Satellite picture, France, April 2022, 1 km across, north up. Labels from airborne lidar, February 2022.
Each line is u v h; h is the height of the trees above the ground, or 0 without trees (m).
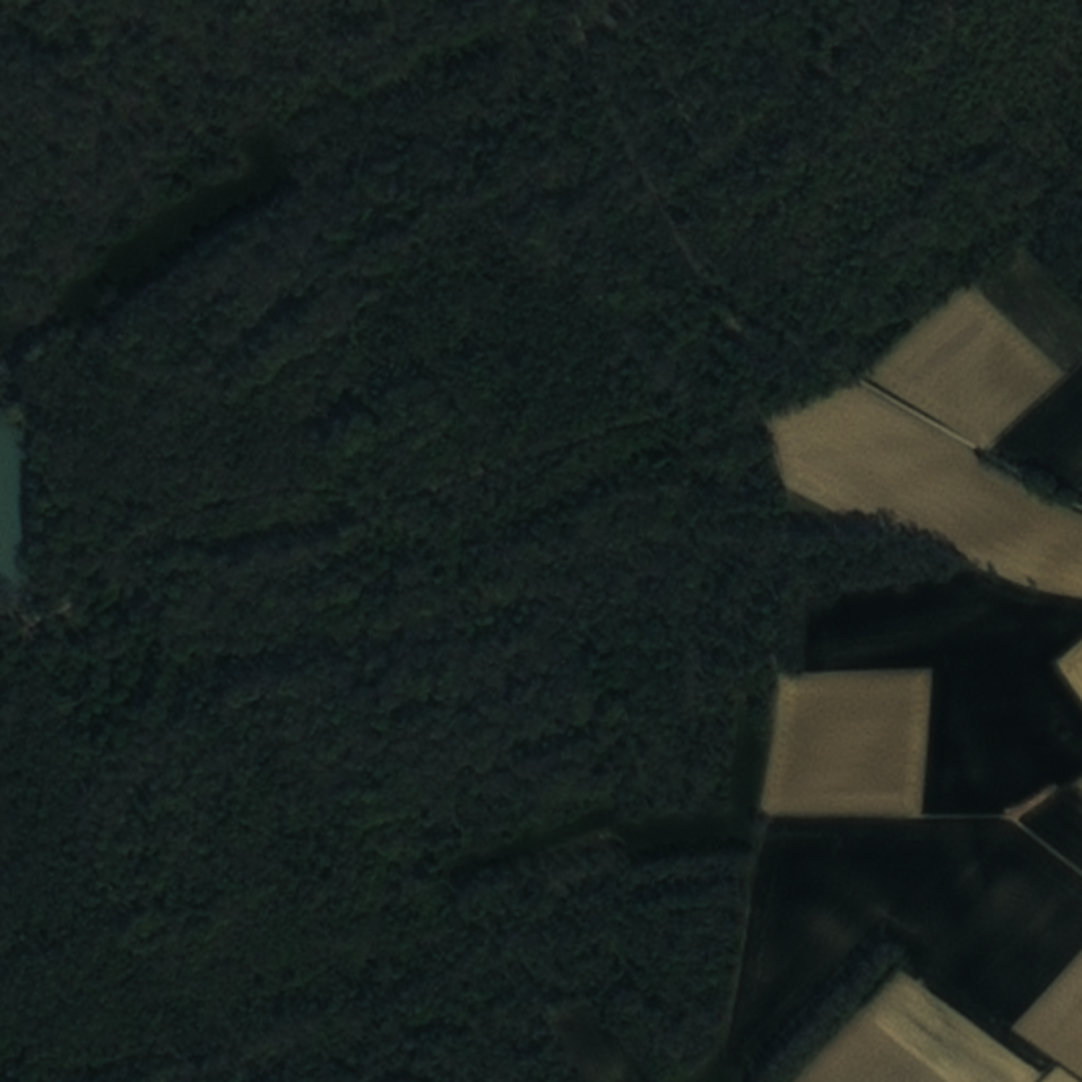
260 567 28
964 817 0
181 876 27
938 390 0
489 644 32
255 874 25
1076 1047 0
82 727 15
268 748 25
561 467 22
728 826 0
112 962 17
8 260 33
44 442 22
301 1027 35
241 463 19
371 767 26
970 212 32
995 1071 0
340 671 36
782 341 29
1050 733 0
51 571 28
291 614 33
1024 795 0
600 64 30
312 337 35
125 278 0
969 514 0
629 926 25
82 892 23
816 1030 32
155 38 34
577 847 0
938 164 23
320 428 17
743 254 21
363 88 28
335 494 16
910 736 0
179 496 21
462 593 34
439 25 36
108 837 29
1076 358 0
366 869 21
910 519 0
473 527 24
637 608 30
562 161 26
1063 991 0
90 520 29
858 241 25
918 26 25
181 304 34
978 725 0
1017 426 0
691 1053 22
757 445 31
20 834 17
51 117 36
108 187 22
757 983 0
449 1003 30
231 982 22
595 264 30
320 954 22
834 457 0
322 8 32
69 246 32
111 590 18
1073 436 0
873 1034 0
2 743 21
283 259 38
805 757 0
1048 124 24
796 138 26
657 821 0
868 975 32
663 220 31
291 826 26
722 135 35
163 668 26
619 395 21
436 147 33
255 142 0
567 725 27
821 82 24
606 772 34
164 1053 20
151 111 35
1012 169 38
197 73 30
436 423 32
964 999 0
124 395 23
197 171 7
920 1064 0
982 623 0
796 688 0
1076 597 0
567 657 31
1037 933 0
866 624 0
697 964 29
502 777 34
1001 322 0
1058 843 0
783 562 30
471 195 34
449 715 32
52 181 36
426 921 19
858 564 25
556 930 34
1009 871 0
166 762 28
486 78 21
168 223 0
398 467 24
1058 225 28
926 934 0
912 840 0
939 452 0
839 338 34
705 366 23
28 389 24
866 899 0
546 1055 30
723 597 30
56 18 33
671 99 31
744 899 27
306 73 33
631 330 33
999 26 26
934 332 0
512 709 34
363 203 32
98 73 34
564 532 35
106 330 24
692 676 34
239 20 33
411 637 24
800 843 0
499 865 0
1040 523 0
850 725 0
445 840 27
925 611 0
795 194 25
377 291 31
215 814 26
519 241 24
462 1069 31
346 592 33
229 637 37
